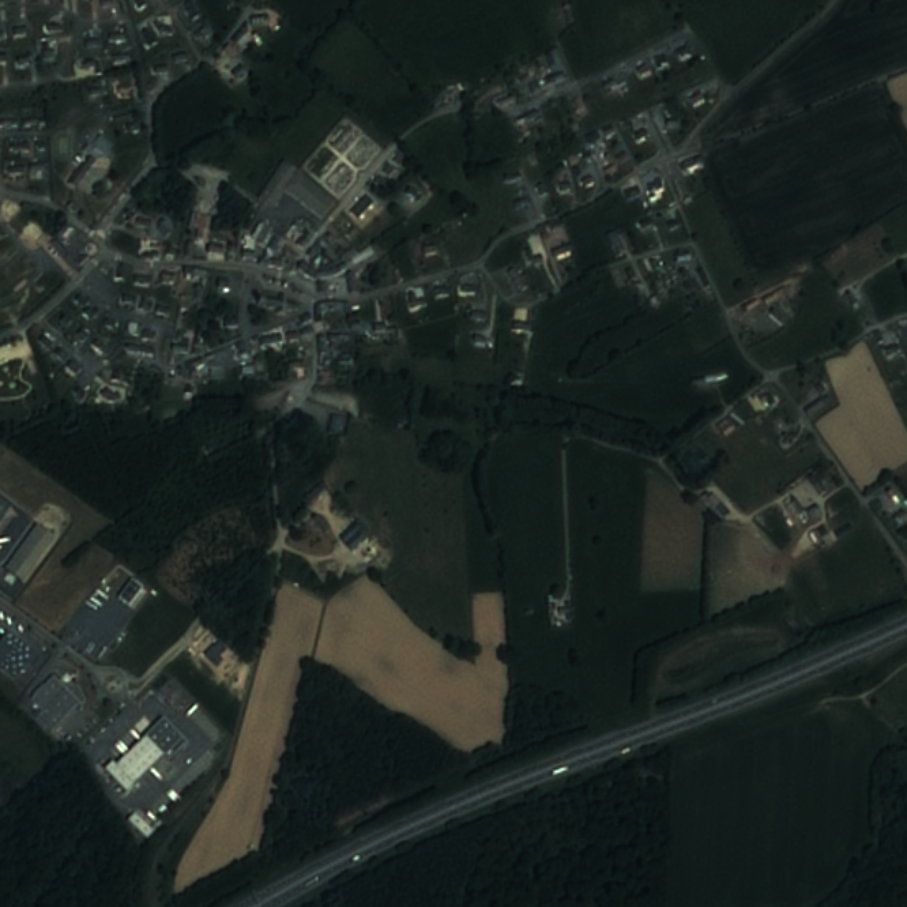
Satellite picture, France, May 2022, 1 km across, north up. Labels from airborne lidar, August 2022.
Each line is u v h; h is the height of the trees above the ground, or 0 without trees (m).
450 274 0
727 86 0
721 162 0
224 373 0
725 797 0
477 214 7
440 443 14
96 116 0
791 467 0
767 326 0
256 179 10
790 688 0
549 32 0
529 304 0
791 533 0
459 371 0
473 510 0
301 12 0
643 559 0
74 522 0
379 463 0
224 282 0
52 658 0
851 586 0
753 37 0
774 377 0
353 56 0
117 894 15
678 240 0
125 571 0
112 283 0
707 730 0
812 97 0
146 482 8
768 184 0
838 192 0
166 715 0
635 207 0
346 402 0
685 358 0
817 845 0
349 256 0
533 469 0
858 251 0
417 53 0
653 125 0
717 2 0
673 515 0
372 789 14
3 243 0
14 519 0
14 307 0
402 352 0
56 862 13
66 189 0
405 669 0
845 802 0
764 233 0
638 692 11
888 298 0
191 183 9
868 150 0
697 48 0
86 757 12
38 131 0
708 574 11
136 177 0
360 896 15
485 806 0
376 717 14
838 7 0
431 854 13
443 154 0
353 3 13
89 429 12
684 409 0
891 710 0
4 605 0
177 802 7
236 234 8
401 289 0
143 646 0
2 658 0
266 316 16
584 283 10
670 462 11
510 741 12
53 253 0
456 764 14
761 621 0
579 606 0
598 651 0
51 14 0
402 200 0
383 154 0
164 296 0
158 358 0
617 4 0
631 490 0
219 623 13
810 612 0
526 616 0
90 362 0
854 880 20
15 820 12
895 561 8
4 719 0
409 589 0
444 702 0
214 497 7
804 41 0
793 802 0
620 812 20
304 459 24
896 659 0
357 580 0
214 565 6
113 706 9
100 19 0
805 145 0
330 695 17
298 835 15
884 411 0
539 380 0
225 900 11
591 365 0
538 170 0
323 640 0
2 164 0
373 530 0
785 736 0
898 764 15
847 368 0
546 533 0
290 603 0
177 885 0
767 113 0
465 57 0
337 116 0
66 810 17
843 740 0
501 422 19
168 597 0
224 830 0
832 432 0
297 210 0
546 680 0
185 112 0
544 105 0
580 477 0
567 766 0
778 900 0
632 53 0
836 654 0
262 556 14
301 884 0
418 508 0
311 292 0
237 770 0
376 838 0
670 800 18
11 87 0
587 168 0
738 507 0
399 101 0
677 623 0
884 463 0
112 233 0
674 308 0
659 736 0
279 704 0
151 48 0
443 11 0
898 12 0
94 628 0
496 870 20
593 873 21
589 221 0
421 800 14
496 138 0
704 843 0
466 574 0
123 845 12
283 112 0
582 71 0
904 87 0
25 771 0
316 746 15
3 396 0
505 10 0
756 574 0
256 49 11
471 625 0
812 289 0
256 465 10
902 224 0
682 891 0
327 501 0
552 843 16
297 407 0
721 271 0
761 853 0
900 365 0
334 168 0
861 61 0
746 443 0
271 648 0
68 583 0
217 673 0
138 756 0
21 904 15
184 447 8
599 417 23
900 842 16
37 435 10
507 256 0
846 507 0
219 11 0
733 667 0
